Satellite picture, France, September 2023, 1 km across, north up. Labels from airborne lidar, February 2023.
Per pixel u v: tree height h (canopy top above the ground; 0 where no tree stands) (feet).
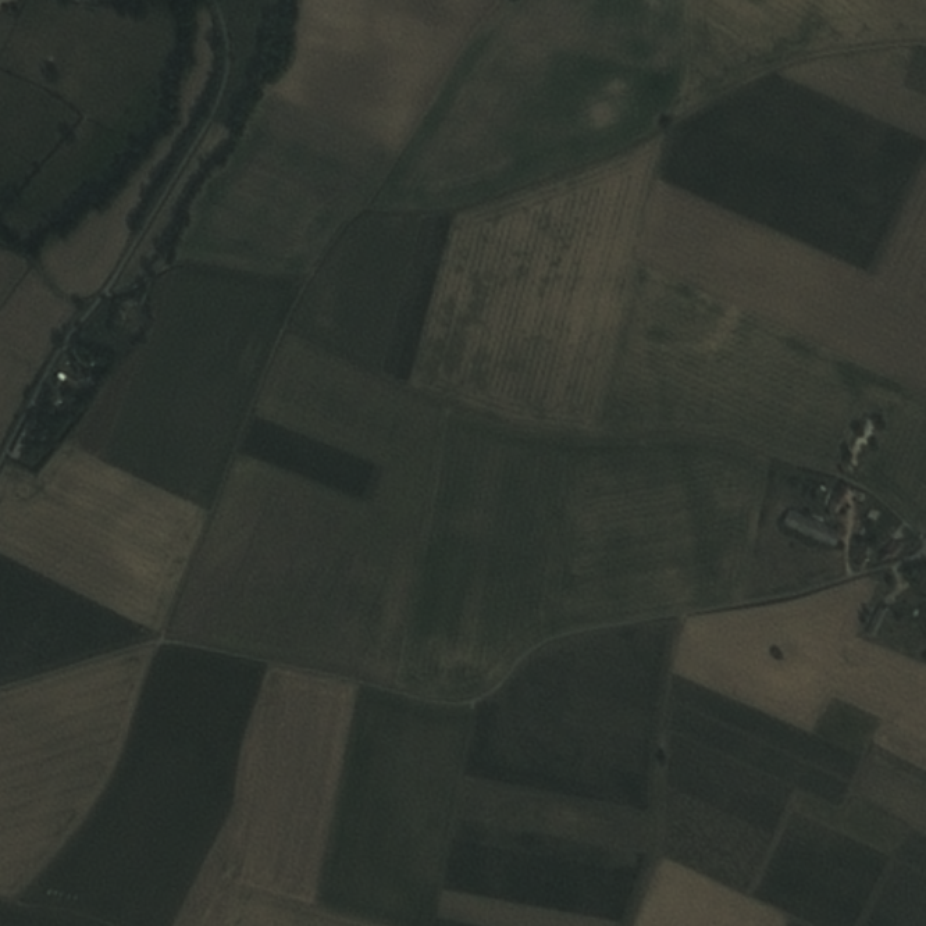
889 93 0
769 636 0
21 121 0
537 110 0
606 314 0
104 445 0
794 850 0
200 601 0
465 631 0
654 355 0
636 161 0
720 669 0
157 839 0
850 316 0
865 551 0
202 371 0
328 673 0
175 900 0
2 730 0
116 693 0
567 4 0
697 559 0
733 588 0
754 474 0
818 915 0
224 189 0
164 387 0
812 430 0
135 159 59
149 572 0
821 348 0
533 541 0
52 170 0
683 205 0
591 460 0
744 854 0
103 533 0
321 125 0
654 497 0
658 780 0
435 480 0
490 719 0
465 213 0
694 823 0
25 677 0
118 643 0
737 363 0
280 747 0
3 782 0
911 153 0
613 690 0
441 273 0
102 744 0
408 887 0
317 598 0
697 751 0
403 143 0
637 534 0
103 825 0
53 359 0
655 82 0
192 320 0
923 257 0
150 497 0
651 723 0
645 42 0
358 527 0
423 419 0
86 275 0
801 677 0
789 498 0
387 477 0
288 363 0
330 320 0
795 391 0
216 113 0
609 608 0
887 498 0
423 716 0
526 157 0
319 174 0
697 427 0
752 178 0
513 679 0
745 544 0
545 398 0
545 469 0
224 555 0
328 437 0
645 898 0
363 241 0
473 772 0
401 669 0
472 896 0
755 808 0
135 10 64
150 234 0
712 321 0
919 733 0
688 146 0
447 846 0
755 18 0
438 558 0
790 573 0
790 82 0
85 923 0
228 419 0
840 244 0
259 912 0
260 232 0
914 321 0
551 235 0
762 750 0
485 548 0
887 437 0
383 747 0
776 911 0
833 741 0
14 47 0
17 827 0
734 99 0
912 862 0
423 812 0
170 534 0
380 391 0
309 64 0
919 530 0
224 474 0
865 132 0
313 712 0
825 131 0
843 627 0
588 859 0
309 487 0
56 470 0
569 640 0
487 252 0
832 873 0
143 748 0
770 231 0
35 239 37
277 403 0
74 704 0
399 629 0
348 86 0
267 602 0
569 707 0
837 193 0
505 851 0
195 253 0
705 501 0
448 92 0
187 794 0
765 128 0
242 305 0
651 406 0
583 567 0
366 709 0
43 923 0
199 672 0
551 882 0
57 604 0
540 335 0
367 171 0
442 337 0
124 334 0
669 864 0
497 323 0
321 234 0
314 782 0
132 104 0
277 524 0
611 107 0
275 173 0
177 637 0
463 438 0
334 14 0
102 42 0
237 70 0
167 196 0
